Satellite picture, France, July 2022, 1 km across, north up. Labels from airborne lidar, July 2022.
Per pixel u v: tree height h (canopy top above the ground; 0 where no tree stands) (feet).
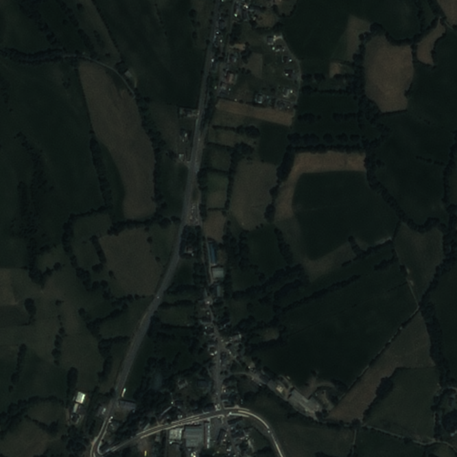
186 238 24
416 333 0
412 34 0
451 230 44
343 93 36
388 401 0
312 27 0
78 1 0
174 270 0
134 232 0
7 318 0
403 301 0
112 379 0
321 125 0
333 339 0
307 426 0
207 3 0
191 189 0
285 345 59
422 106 0
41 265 0
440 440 31
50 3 0
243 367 33
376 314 0
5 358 0
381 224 0
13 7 0
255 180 0
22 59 37
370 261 0
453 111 0
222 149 20
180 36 0
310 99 0
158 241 0
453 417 69
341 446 0
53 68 0
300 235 0
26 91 0
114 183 0
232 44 24
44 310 0
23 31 0
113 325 0
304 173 0
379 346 0
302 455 0
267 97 0
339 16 0
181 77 0
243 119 0
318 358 0
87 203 0
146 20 0
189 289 62
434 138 0
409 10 0
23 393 0
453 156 58
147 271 0
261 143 0
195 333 22
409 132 0
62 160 0
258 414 0
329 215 0
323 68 0
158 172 27
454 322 0
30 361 0
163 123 0
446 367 39
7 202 0
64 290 0
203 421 0
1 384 0
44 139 0
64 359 0
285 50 0
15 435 0
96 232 0
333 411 0
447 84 0
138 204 0
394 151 0
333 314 0
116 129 0
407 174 0
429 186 0
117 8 0
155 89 0
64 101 0
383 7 0
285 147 0
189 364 0
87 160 0
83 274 60
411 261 0
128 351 0
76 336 0
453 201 0
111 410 0
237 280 0
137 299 46
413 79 0
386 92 0
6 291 0
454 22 0
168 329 51
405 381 0
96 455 0
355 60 54
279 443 0
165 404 25
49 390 0
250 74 25
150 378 29
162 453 21
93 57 29
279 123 0
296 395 0
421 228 38
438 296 0
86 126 0
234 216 0
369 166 62
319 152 32
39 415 0
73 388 70
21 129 0
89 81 0
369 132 0
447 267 49
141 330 0
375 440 0
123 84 0
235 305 0
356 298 0
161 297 0
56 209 0
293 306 27
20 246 0
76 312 0
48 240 0
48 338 0
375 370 0
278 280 72
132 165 0
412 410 0
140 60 0
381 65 0
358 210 0
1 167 0
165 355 0
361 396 0
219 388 0
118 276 0
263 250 0
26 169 0
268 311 0
